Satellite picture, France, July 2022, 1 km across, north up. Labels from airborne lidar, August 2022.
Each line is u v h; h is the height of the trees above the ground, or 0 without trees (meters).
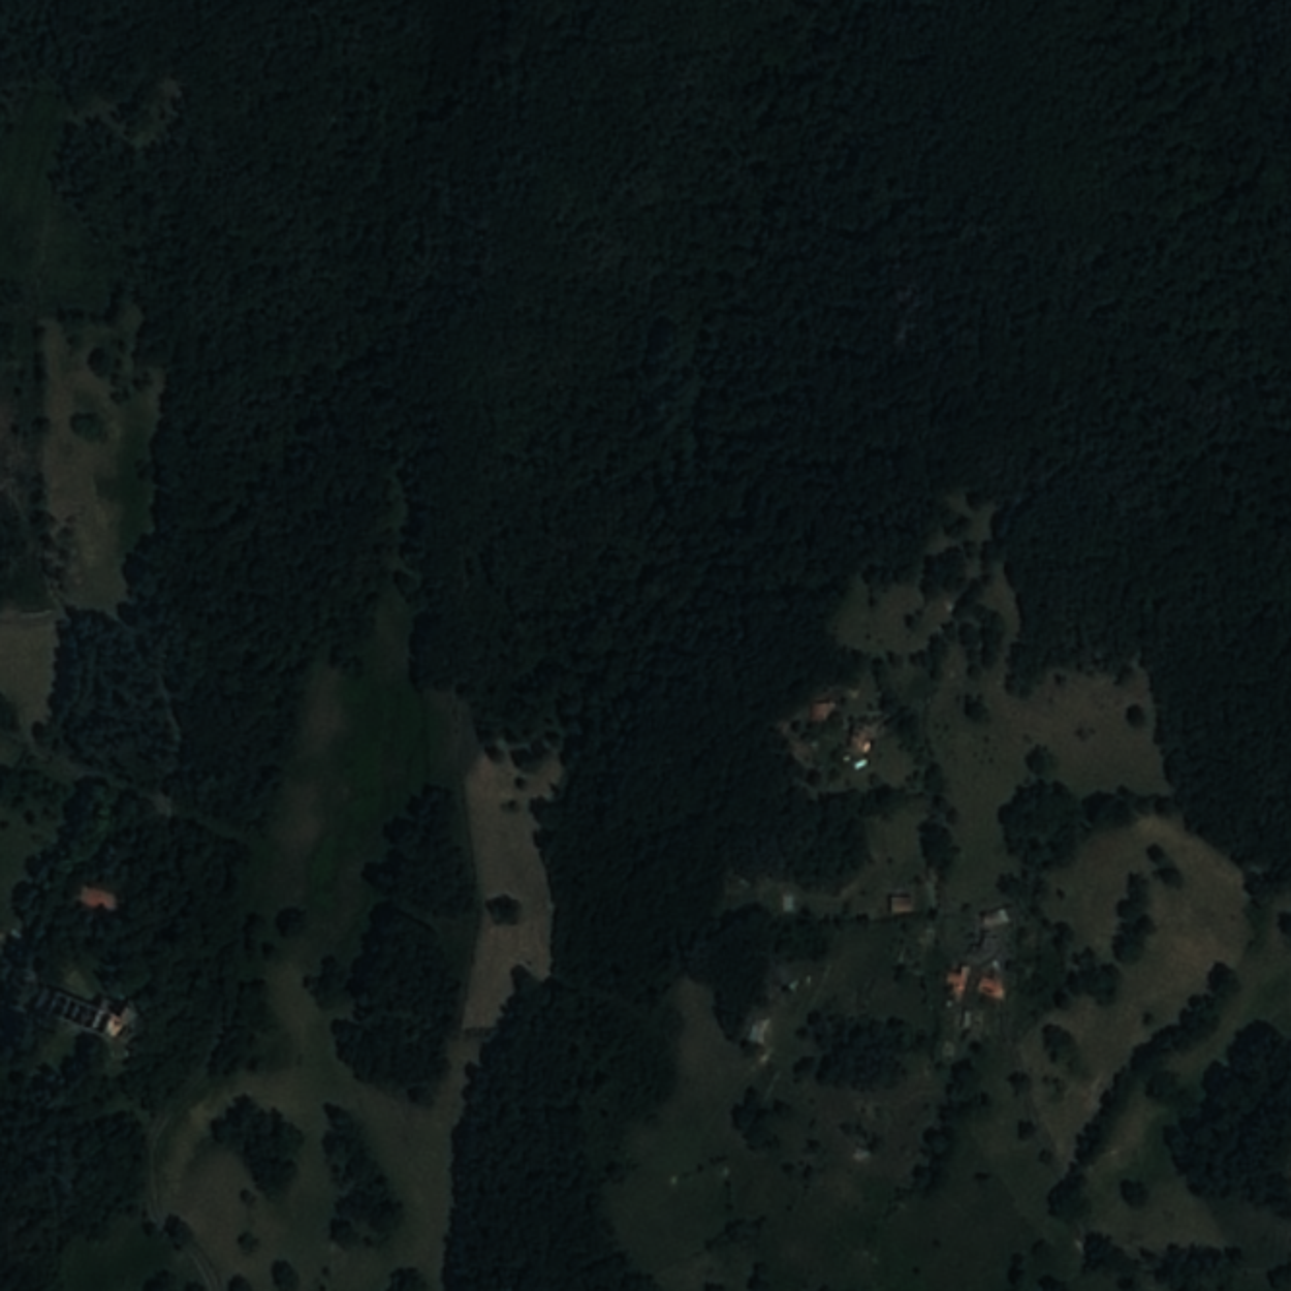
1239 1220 0
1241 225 24
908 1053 13
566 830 10
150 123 18
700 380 22
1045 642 15
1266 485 21
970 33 22
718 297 20
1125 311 19
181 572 21
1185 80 18
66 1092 19
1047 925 9
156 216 21
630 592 25
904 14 24
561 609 9
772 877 14
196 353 21
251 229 25
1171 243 23
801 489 22
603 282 20
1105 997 19
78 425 13
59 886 19
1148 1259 17
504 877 0
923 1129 0
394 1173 0
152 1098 20
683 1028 0
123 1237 0
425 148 27
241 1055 15
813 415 25
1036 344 19
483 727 13
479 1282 29
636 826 24
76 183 15
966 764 0
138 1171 20
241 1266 0
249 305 23
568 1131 20
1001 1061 0
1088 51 26
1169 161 18
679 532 19
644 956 7
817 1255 0
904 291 31
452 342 20
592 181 11
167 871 19
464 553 7
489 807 0
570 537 23
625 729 18
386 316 25
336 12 20
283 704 24
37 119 0
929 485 19
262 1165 19
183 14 23
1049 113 17
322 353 22
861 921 11
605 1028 7
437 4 14
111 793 24
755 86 16
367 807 0
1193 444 26
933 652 12
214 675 24
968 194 24
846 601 12
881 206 25
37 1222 20
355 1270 0
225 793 22
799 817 20
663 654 20
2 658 0
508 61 20
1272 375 22
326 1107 0
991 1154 0
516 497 26
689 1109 0
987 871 0
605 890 9
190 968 30
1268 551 19
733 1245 13
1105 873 0
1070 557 15
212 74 19
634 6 22
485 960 0
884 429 28
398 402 26
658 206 20
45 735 18
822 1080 16
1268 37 20
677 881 10
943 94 24
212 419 24
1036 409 21
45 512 6
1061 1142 0
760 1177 0
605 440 28
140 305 18
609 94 10
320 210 24
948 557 9
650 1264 0
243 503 21
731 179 24
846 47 20
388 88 19
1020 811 16
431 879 18
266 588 25
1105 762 0
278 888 0
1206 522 20
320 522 21
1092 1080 0
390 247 28
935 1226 0
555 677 29
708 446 26
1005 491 13
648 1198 0
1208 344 25
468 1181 20
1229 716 22
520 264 14
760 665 21
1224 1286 15
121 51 17
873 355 26
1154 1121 0
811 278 21
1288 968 0
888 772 0
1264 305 23
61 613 0
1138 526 17
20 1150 18
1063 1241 0
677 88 22
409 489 18
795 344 20
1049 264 13
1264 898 26
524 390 17
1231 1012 0
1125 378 21
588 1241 19
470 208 20
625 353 23
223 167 16
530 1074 16
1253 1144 25
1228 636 17
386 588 14
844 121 21
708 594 25
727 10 19
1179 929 0
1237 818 23
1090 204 19
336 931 0
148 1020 27
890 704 14
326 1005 15
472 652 16
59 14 19
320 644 19
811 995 0
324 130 17
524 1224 23
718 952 21
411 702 0
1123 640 14
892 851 0
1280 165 27
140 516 0
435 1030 13
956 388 23
